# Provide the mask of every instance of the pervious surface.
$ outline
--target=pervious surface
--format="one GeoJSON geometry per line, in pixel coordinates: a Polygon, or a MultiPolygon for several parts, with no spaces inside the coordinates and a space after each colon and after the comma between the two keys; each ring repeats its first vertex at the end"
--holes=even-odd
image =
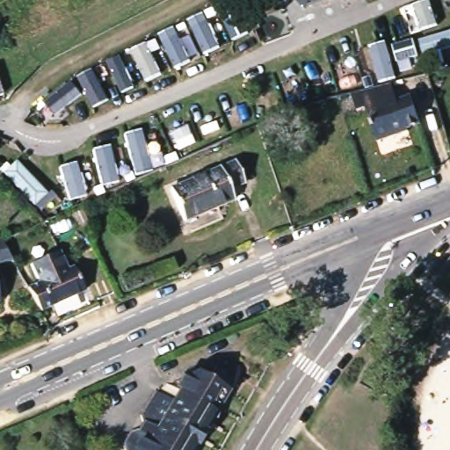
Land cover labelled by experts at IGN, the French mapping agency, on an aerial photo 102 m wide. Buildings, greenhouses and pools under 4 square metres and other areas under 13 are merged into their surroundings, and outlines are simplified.
{"type": "Polygon", "coordinates": [[[269,74],[264,72],[262,63],[257,63],[253,69],[244,70],[239,76],[243,76],[244,88],[248,81],[258,86],[260,98],[257,100],[255,114],[257,118],[262,116],[262,109],[278,104],[279,84],[271,86],[269,74]]]}
{"type": "Polygon", "coordinates": [[[311,445],[318,450],[329,450],[306,425],[299,434],[311,441],[311,445]]]}
{"type": "Polygon", "coordinates": [[[241,127],[246,120],[246,109],[243,105],[234,107],[229,105],[229,102],[223,102],[221,107],[227,112],[232,127],[241,127]]]}
{"type": "Polygon", "coordinates": [[[188,367],[197,364],[199,360],[207,359],[216,353],[237,352],[244,359],[253,360],[264,369],[271,367],[272,376],[285,373],[288,364],[292,362],[287,355],[269,362],[260,355],[250,353],[248,345],[237,336],[229,336],[229,341],[223,339],[211,346],[200,346],[193,352],[181,355],[178,360],[188,367]]]}
{"type": "Polygon", "coordinates": [[[257,214],[248,207],[243,211],[243,216],[255,241],[264,236],[258,227],[257,214]]]}
{"type": "Polygon", "coordinates": [[[200,127],[213,121],[211,116],[200,116],[197,112],[193,114],[192,120],[179,121],[179,125],[183,127],[190,128],[193,139],[202,141],[206,135],[202,134],[200,127]]]}
{"type": "Polygon", "coordinates": [[[162,11],[141,19],[135,25],[123,28],[83,53],[74,54],[49,69],[42,67],[33,76],[32,81],[25,84],[23,90],[28,93],[28,105],[35,107],[37,100],[44,100],[47,97],[47,90],[54,81],[70,74],[72,69],[90,65],[97,58],[109,53],[112,49],[118,49],[123,42],[149,32],[151,28],[155,28],[163,21],[169,21],[181,12],[193,9],[195,14],[211,7],[211,0],[172,0],[162,11]]]}
{"type": "Polygon", "coordinates": [[[104,304],[107,309],[116,306],[111,281],[95,281],[97,262],[91,258],[90,248],[84,250],[83,258],[76,260],[77,269],[83,272],[84,281],[90,285],[77,295],[81,306],[88,306],[91,299],[102,299],[104,304]]]}

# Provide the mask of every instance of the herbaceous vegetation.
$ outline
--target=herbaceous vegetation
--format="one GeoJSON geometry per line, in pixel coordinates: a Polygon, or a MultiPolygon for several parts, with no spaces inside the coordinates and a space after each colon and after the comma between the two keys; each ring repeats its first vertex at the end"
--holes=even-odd
{"type": "Polygon", "coordinates": [[[244,88],[243,76],[239,76],[229,77],[221,83],[209,86],[206,90],[193,93],[190,97],[181,98],[172,104],[160,105],[155,111],[146,112],[121,125],[91,135],[79,148],[60,155],[35,155],[33,149],[26,148],[18,137],[11,137],[9,142],[0,148],[0,167],[4,163],[21,163],[40,185],[63,199],[65,192],[63,186],[58,183],[60,165],[77,162],[79,172],[86,181],[86,197],[102,195],[105,188],[98,185],[97,167],[91,158],[91,151],[95,146],[111,144],[114,162],[118,165],[127,165],[128,171],[132,171],[132,160],[128,158],[127,148],[123,144],[123,134],[128,130],[142,128],[144,141],[158,142],[160,151],[165,155],[178,155],[178,162],[160,165],[162,171],[137,176],[134,181],[120,186],[118,190],[134,195],[134,204],[125,206],[125,211],[130,216],[134,216],[137,221],[148,221],[162,227],[167,237],[171,237],[172,243],[160,250],[162,255],[148,260],[148,255],[137,248],[134,232],[116,236],[105,230],[104,236],[104,243],[114,267],[125,265],[127,274],[146,271],[151,265],[172,258],[176,258],[178,265],[185,264],[186,257],[195,260],[204,253],[214,253],[225,246],[232,246],[236,250],[241,244],[255,241],[243,216],[243,211],[248,207],[257,214],[258,227],[264,236],[271,236],[274,232],[276,225],[290,221],[292,213],[309,214],[329,200],[343,199],[346,195],[359,192],[341,144],[346,137],[352,139],[367,188],[374,188],[373,181],[380,178],[380,174],[383,178],[390,179],[406,171],[410,171],[411,174],[404,179],[408,185],[431,179],[431,169],[434,169],[422,127],[415,123],[408,130],[411,146],[383,155],[378,148],[378,137],[373,134],[371,118],[367,116],[367,112],[343,109],[332,95],[332,90],[339,84],[337,63],[352,58],[355,51],[366,54],[367,44],[376,40],[385,40],[388,62],[394,76],[403,79],[401,84],[406,86],[408,79],[415,76],[410,70],[410,60],[396,62],[394,49],[397,47],[415,46],[417,56],[424,51],[420,47],[420,39],[450,30],[450,0],[429,0],[432,14],[436,19],[434,28],[410,33],[401,14],[385,12],[378,18],[367,19],[359,25],[348,26],[341,32],[330,33],[327,37],[302,47],[297,53],[262,63],[264,72],[269,74],[271,86],[279,84],[278,104],[262,109],[262,116],[257,118],[255,114],[257,100],[260,98],[258,86],[248,81],[244,88]],[[246,109],[246,120],[241,127],[232,127],[227,112],[221,107],[223,102],[229,102],[229,105],[234,107],[243,105],[246,109]],[[192,120],[193,114],[197,112],[200,116],[211,116],[213,121],[218,123],[218,130],[206,135],[202,141],[193,139],[192,146],[174,146],[171,130],[183,127],[179,125],[179,121],[192,120]],[[315,123],[315,139],[322,146],[313,155],[302,148],[301,151],[295,151],[294,146],[279,141],[276,134],[260,135],[257,127],[265,123],[267,118],[285,118],[285,114],[290,112],[294,116],[301,116],[302,123],[308,123],[315,123]],[[246,169],[246,176],[255,179],[257,185],[253,188],[250,199],[243,200],[239,206],[234,199],[225,200],[223,204],[216,206],[223,213],[220,221],[204,229],[195,230],[192,234],[183,234],[181,218],[171,206],[169,195],[163,190],[163,185],[167,183],[176,188],[179,178],[185,178],[186,174],[199,171],[221,158],[239,155],[239,160],[246,169]]]}
{"type": "Polygon", "coordinates": [[[439,40],[434,47],[441,56],[441,63],[446,69],[450,67],[450,39],[439,40]]]}
{"type": "Polygon", "coordinates": [[[79,401],[76,396],[69,401],[54,404],[46,410],[40,410],[32,417],[19,418],[12,424],[0,427],[0,450],[46,450],[46,445],[51,443],[54,417],[67,411],[76,411],[83,401],[79,401]]]}
{"type": "Polygon", "coordinates": [[[417,267],[413,272],[417,274],[418,279],[417,283],[408,285],[411,299],[406,304],[406,309],[410,311],[410,318],[403,327],[408,329],[411,337],[406,339],[404,362],[411,362],[417,357],[418,352],[427,352],[432,345],[438,345],[443,334],[450,334],[450,255],[427,255],[417,258],[417,267]]]}
{"type": "Polygon", "coordinates": [[[169,21],[163,21],[155,28],[151,28],[149,32],[123,42],[118,49],[112,49],[109,53],[114,60],[121,60],[128,65],[132,56],[125,53],[128,47],[153,40],[160,33],[169,26],[183,23],[195,14],[193,9],[181,12],[169,21]]]}
{"type": "Polygon", "coordinates": [[[230,60],[236,60],[241,54],[248,53],[250,49],[244,46],[244,39],[230,39],[229,42],[225,42],[223,33],[218,32],[218,51],[206,56],[202,47],[197,47],[197,51],[190,54],[190,60],[172,65],[160,74],[167,86],[185,81],[188,69],[193,69],[197,65],[202,65],[204,70],[211,70],[214,67],[221,67],[230,60]]]}
{"type": "Polygon", "coordinates": [[[44,128],[69,127],[88,118],[97,118],[112,109],[120,109],[123,102],[111,91],[111,97],[100,98],[95,104],[88,105],[86,100],[79,98],[74,104],[67,105],[67,116],[63,120],[51,121],[44,118],[44,128]]]}
{"type": "Polygon", "coordinates": [[[381,425],[390,417],[388,404],[383,401],[371,401],[369,388],[357,381],[350,387],[341,387],[334,383],[334,390],[330,392],[330,396],[323,394],[318,404],[313,406],[313,418],[306,420],[306,425],[329,450],[380,450],[381,425]]]}
{"type": "Polygon", "coordinates": [[[287,450],[318,450],[311,445],[311,441],[299,434],[295,438],[290,438],[287,450]]]}
{"type": "Polygon", "coordinates": [[[216,427],[213,434],[206,434],[204,441],[193,450],[232,450],[257,417],[253,406],[257,404],[258,397],[272,376],[271,367],[264,369],[253,360],[244,359],[237,352],[216,353],[207,359],[199,360],[197,364],[200,369],[218,374],[218,378],[227,385],[227,388],[236,387],[237,394],[236,399],[230,404],[229,417],[225,418],[220,427],[216,427]]]}
{"type": "Polygon", "coordinates": [[[49,69],[74,54],[83,53],[123,28],[135,25],[141,19],[162,11],[172,0],[0,0],[0,81],[5,91],[18,91],[23,90],[25,84],[32,81],[33,76],[42,67],[49,69]]]}
{"type": "Polygon", "coordinates": [[[16,283],[16,269],[12,264],[0,264],[0,292],[9,295],[12,290],[16,283]]]}

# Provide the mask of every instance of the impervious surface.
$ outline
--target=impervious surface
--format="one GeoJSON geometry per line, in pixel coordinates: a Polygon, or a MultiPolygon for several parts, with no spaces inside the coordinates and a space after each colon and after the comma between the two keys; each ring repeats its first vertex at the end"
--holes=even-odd
{"type": "Polygon", "coordinates": [[[0,318],[7,315],[28,315],[25,308],[11,308],[9,295],[0,292],[0,318]]]}
{"type": "Polygon", "coordinates": [[[163,185],[163,190],[169,195],[171,206],[181,218],[183,234],[192,234],[195,230],[204,229],[220,221],[223,213],[216,206],[190,218],[186,214],[185,202],[179,197],[176,188],[167,183],[163,185]]]}
{"type": "Polygon", "coordinates": [[[172,65],[169,54],[165,53],[160,33],[153,40],[158,44],[156,51],[153,51],[153,60],[158,65],[160,74],[172,65]]]}
{"type": "Polygon", "coordinates": [[[35,306],[42,309],[42,301],[35,288],[42,279],[35,279],[39,276],[39,271],[30,264],[16,269],[16,283],[12,290],[23,288],[26,294],[32,297],[35,306]]]}
{"type": "Polygon", "coordinates": [[[69,127],[44,128],[44,118],[35,107],[28,105],[28,93],[23,90],[18,91],[14,102],[0,105],[0,130],[11,137],[18,137],[26,148],[33,149],[35,155],[60,155],[79,148],[91,135],[121,125],[146,112],[155,111],[160,105],[172,104],[181,98],[190,97],[193,93],[206,90],[209,86],[221,83],[229,77],[239,76],[244,70],[253,69],[257,63],[262,63],[297,53],[302,47],[327,37],[330,33],[341,32],[348,26],[359,25],[367,19],[378,18],[385,12],[401,14],[401,9],[404,5],[410,4],[411,0],[272,0],[274,9],[267,11],[267,16],[262,18],[255,30],[246,32],[244,39],[244,46],[250,49],[248,53],[241,54],[236,60],[230,60],[221,67],[214,67],[211,70],[204,70],[202,65],[197,65],[193,69],[188,69],[185,81],[167,86],[162,88],[160,93],[151,93],[139,100],[134,98],[132,104],[123,102],[120,109],[112,109],[97,118],[88,118],[69,127]]]}
{"type": "Polygon", "coordinates": [[[443,334],[438,345],[432,345],[427,352],[418,352],[417,357],[418,364],[429,371],[431,367],[441,364],[450,352],[450,334],[443,334]]]}
{"type": "Polygon", "coordinates": [[[359,353],[360,332],[366,325],[357,315],[357,311],[373,292],[378,295],[385,294],[385,279],[394,279],[399,274],[413,272],[417,267],[417,258],[427,255],[450,255],[450,77],[446,77],[446,81],[434,84],[429,81],[427,74],[415,76],[408,79],[406,86],[401,84],[392,81],[387,81],[387,84],[394,91],[397,104],[403,109],[410,105],[415,107],[417,114],[410,118],[415,123],[422,127],[434,169],[431,169],[431,179],[408,185],[394,188],[385,195],[385,199],[378,207],[359,207],[355,216],[334,214],[334,220],[330,223],[315,223],[313,229],[297,230],[292,227],[285,232],[274,232],[271,236],[264,236],[255,241],[241,244],[236,250],[232,257],[223,260],[221,269],[211,267],[199,269],[197,272],[185,272],[176,281],[176,290],[149,290],[137,297],[134,308],[116,306],[107,309],[104,304],[95,306],[83,315],[77,315],[76,318],[67,318],[65,313],[81,306],[77,295],[70,295],[67,299],[56,302],[53,309],[51,322],[62,325],[65,334],[44,334],[39,341],[33,341],[23,348],[0,355],[0,427],[12,424],[19,418],[32,417],[40,410],[46,410],[54,404],[69,401],[76,396],[81,388],[93,385],[95,381],[104,380],[111,374],[121,373],[127,367],[134,367],[134,374],[118,381],[118,387],[104,385],[100,388],[100,394],[112,399],[111,408],[104,413],[105,424],[125,425],[127,429],[144,424],[144,411],[155,396],[156,390],[178,394],[181,380],[188,367],[178,360],[169,360],[162,367],[158,367],[155,359],[158,355],[174,350],[186,341],[192,343],[202,339],[204,334],[209,334],[211,330],[218,332],[225,329],[227,323],[236,325],[262,313],[271,304],[279,306],[302,294],[306,294],[306,297],[320,297],[325,308],[320,311],[322,325],[318,325],[308,334],[301,334],[299,345],[294,346],[287,355],[292,362],[288,364],[285,373],[272,376],[258,397],[257,404],[253,406],[257,417],[232,450],[287,450],[290,438],[295,438],[299,434],[306,425],[306,420],[313,418],[313,406],[318,404],[323,394],[330,396],[330,392],[334,390],[334,383],[330,383],[327,378],[336,369],[339,360],[345,355],[359,353]]]}

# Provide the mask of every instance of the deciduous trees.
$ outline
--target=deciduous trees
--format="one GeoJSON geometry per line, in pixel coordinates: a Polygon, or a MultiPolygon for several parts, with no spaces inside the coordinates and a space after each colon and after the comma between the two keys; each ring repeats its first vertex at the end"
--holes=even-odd
{"type": "Polygon", "coordinates": [[[125,425],[105,424],[104,413],[111,408],[112,399],[100,394],[91,397],[91,401],[83,401],[76,411],[67,411],[54,417],[51,443],[46,445],[46,450],[121,450],[127,429],[125,425]]]}
{"type": "Polygon", "coordinates": [[[279,306],[271,304],[262,313],[264,322],[255,323],[248,329],[241,330],[237,336],[248,345],[250,353],[260,355],[269,362],[287,355],[294,346],[299,345],[301,334],[308,334],[318,325],[322,325],[320,311],[325,308],[320,297],[306,297],[306,294],[302,294],[279,306]]]}
{"type": "Polygon", "coordinates": [[[137,248],[148,255],[148,260],[162,255],[160,250],[172,243],[171,237],[167,237],[162,227],[148,221],[137,221],[134,216],[130,216],[125,211],[125,206],[134,204],[134,195],[118,190],[105,188],[102,195],[86,197],[84,199],[88,202],[83,209],[86,223],[95,234],[104,236],[105,230],[116,236],[134,232],[137,248]]]}
{"type": "Polygon", "coordinates": [[[417,274],[413,272],[399,274],[394,279],[385,279],[385,294],[378,295],[373,292],[357,311],[357,315],[366,325],[360,332],[359,353],[345,355],[339,360],[336,369],[327,378],[330,383],[334,383],[341,387],[350,387],[357,381],[369,388],[371,401],[383,401],[388,404],[390,417],[381,425],[380,450],[420,450],[420,408],[415,403],[415,397],[418,385],[429,371],[418,364],[417,357],[411,362],[404,362],[406,339],[411,337],[408,329],[403,327],[410,318],[410,311],[406,309],[406,304],[411,299],[408,285],[417,283],[418,279],[417,274]]]}
{"type": "Polygon", "coordinates": [[[267,16],[267,11],[274,9],[272,0],[211,0],[211,7],[220,16],[220,23],[227,21],[229,25],[237,26],[241,32],[246,32],[255,30],[262,18],[267,16]]]}
{"type": "Polygon", "coordinates": [[[295,151],[301,151],[302,148],[306,135],[309,134],[308,123],[302,123],[301,116],[294,116],[290,112],[285,114],[285,118],[267,118],[265,123],[257,127],[260,135],[276,134],[279,141],[294,146],[295,151]]]}

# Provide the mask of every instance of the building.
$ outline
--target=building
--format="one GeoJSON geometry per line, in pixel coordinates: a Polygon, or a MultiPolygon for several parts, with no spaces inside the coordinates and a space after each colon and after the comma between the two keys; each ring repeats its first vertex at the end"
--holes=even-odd
{"type": "Polygon", "coordinates": [[[0,81],[0,105],[14,102],[18,91],[5,91],[0,81]]]}
{"type": "Polygon", "coordinates": [[[72,200],[84,199],[86,197],[86,181],[79,172],[77,162],[60,165],[58,183],[63,186],[65,192],[63,199],[40,185],[21,163],[4,163],[0,167],[0,169],[9,178],[14,179],[18,188],[28,193],[30,200],[37,204],[39,209],[67,209],[72,200]]]}
{"type": "Polygon", "coordinates": [[[178,394],[156,390],[155,396],[144,411],[144,424],[127,429],[121,450],[193,450],[204,441],[206,434],[213,434],[216,427],[220,427],[225,418],[229,417],[230,404],[236,399],[237,394],[236,387],[227,388],[227,385],[218,378],[218,374],[200,369],[197,364],[188,367],[181,380],[178,394]]]}
{"type": "Polygon", "coordinates": [[[432,14],[429,0],[411,0],[410,4],[404,5],[401,9],[401,14],[410,33],[434,28],[436,19],[432,14]]]}
{"type": "Polygon", "coordinates": [[[9,142],[11,137],[0,130],[0,148],[9,142]]]}
{"type": "Polygon", "coordinates": [[[178,155],[165,155],[160,151],[158,142],[144,141],[142,128],[128,130],[123,134],[123,144],[127,148],[128,158],[132,160],[132,171],[128,171],[127,165],[118,165],[114,162],[111,144],[95,146],[91,151],[91,158],[97,167],[98,185],[105,188],[118,190],[120,186],[134,181],[137,176],[162,171],[160,165],[178,162],[178,155]]]}
{"type": "Polygon", "coordinates": [[[394,49],[396,62],[410,60],[417,56],[415,46],[397,47],[394,49]]]}
{"type": "Polygon", "coordinates": [[[376,40],[367,44],[366,54],[355,51],[352,58],[337,63],[339,84],[332,90],[332,95],[343,109],[367,112],[367,116],[371,118],[373,134],[378,137],[378,148],[383,155],[411,146],[408,130],[415,123],[410,118],[417,114],[415,107],[410,105],[403,109],[397,104],[394,91],[387,84],[387,81],[392,81],[401,84],[403,79],[394,76],[388,62],[385,40],[376,40]]]}
{"type": "Polygon", "coordinates": [[[171,130],[174,146],[192,146],[193,139],[190,128],[183,127],[171,130]]]}
{"type": "Polygon", "coordinates": [[[199,171],[186,174],[185,178],[179,178],[176,188],[179,197],[185,202],[186,214],[190,218],[216,206],[223,204],[225,200],[234,199],[239,206],[243,200],[250,199],[253,188],[257,185],[255,179],[246,176],[246,169],[239,160],[239,155],[221,158],[199,171]]]}
{"type": "Polygon", "coordinates": [[[206,135],[218,130],[218,123],[213,121],[200,127],[202,134],[206,135]]]}
{"type": "Polygon", "coordinates": [[[172,65],[190,60],[190,54],[197,51],[197,47],[202,47],[206,56],[218,51],[218,32],[223,33],[225,42],[229,42],[230,39],[244,39],[246,32],[241,32],[237,26],[229,25],[227,21],[220,23],[220,16],[211,7],[195,14],[183,23],[169,26],[160,33],[165,53],[169,54],[172,65]]]}
{"type": "Polygon", "coordinates": [[[439,40],[450,39],[450,30],[420,39],[420,47],[424,51],[434,47],[439,40]]]}
{"type": "Polygon", "coordinates": [[[5,239],[0,239],[0,264],[12,264],[14,257],[11,250],[5,246],[5,239]]]}
{"type": "Polygon", "coordinates": [[[54,81],[47,90],[47,97],[44,100],[37,100],[35,107],[44,118],[51,121],[63,120],[67,116],[67,105],[74,104],[79,98],[86,100],[88,105],[95,104],[100,98],[111,97],[111,91],[123,102],[132,104],[134,98],[139,100],[151,93],[160,93],[162,88],[167,86],[160,74],[158,65],[153,60],[153,51],[156,51],[158,44],[153,40],[128,47],[125,53],[132,56],[128,65],[121,60],[114,60],[109,53],[97,58],[90,65],[72,69],[70,74],[54,81]]]}
{"type": "Polygon", "coordinates": [[[42,279],[35,288],[42,301],[42,309],[53,309],[56,302],[67,299],[70,295],[77,295],[90,285],[84,281],[83,272],[77,269],[76,260],[70,255],[70,244],[62,239],[49,253],[44,251],[40,257],[30,258],[30,264],[39,271],[39,276],[35,279],[42,279]]]}

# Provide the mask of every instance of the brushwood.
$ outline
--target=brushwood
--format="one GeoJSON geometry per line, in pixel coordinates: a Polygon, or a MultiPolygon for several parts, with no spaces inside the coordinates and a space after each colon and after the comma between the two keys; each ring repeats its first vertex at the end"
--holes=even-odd
{"type": "Polygon", "coordinates": [[[77,315],[83,315],[95,306],[104,304],[102,299],[91,299],[88,306],[81,306],[65,313],[67,318],[76,318],[77,315]]]}
{"type": "Polygon", "coordinates": [[[343,199],[329,200],[309,214],[292,213],[290,221],[276,225],[274,232],[285,232],[292,227],[297,230],[313,229],[315,223],[330,223],[334,220],[334,214],[355,216],[359,207],[378,207],[385,199],[385,195],[394,188],[408,185],[404,179],[411,174],[410,171],[406,171],[390,179],[383,178],[380,174],[380,178],[373,181],[374,188],[367,188],[352,139],[346,137],[341,144],[359,192],[346,195],[343,199]]]}
{"type": "Polygon", "coordinates": [[[309,134],[306,135],[302,148],[313,155],[322,146],[315,139],[315,123],[308,123],[309,134]]]}
{"type": "Polygon", "coordinates": [[[158,355],[155,359],[158,367],[162,367],[169,360],[178,360],[181,355],[193,352],[200,346],[211,346],[223,339],[229,341],[229,336],[237,336],[241,330],[248,329],[255,323],[264,322],[262,313],[236,325],[227,323],[225,329],[218,332],[211,330],[209,334],[204,334],[202,339],[192,343],[186,341],[174,350],[158,355]]]}
{"type": "Polygon", "coordinates": [[[44,334],[65,334],[62,325],[51,322],[53,309],[42,309],[35,306],[32,297],[26,294],[23,288],[12,290],[9,295],[11,308],[25,308],[28,315],[7,315],[0,318],[0,355],[23,348],[33,341],[39,341],[44,334]]]}
{"type": "Polygon", "coordinates": [[[118,381],[134,374],[134,367],[127,367],[121,373],[111,374],[104,380],[95,381],[93,385],[81,388],[76,396],[79,401],[83,401],[91,401],[91,397],[100,394],[100,388],[104,385],[118,387],[118,381]]]}
{"type": "Polygon", "coordinates": [[[172,258],[151,265],[146,271],[127,274],[125,265],[114,267],[104,243],[104,236],[95,234],[86,223],[83,209],[88,202],[84,199],[72,200],[67,209],[39,209],[37,204],[30,200],[28,193],[18,188],[14,179],[9,178],[0,169],[0,239],[5,239],[5,246],[11,250],[14,257],[12,264],[16,269],[30,264],[30,258],[40,257],[44,251],[49,253],[62,239],[70,244],[70,255],[76,260],[83,258],[84,250],[90,248],[91,258],[97,262],[95,281],[111,281],[116,306],[134,308],[137,297],[149,290],[176,290],[176,281],[185,272],[197,272],[199,269],[211,267],[221,269],[223,260],[232,257],[236,250],[232,246],[225,246],[214,253],[204,253],[195,260],[186,257],[185,264],[178,265],[176,258],[172,258]]]}
{"type": "Polygon", "coordinates": [[[410,60],[410,70],[415,76],[427,74],[429,81],[434,84],[446,81],[446,77],[450,77],[450,67],[446,69],[441,63],[441,56],[434,47],[424,51],[417,56],[410,60]]]}

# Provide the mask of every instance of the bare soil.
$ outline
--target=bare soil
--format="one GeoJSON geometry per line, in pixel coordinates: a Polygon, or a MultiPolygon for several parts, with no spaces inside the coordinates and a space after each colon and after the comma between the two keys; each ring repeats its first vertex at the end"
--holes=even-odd
{"type": "Polygon", "coordinates": [[[415,397],[415,403],[420,408],[420,450],[450,450],[450,352],[441,364],[431,367],[429,371],[418,385],[415,397]]]}

